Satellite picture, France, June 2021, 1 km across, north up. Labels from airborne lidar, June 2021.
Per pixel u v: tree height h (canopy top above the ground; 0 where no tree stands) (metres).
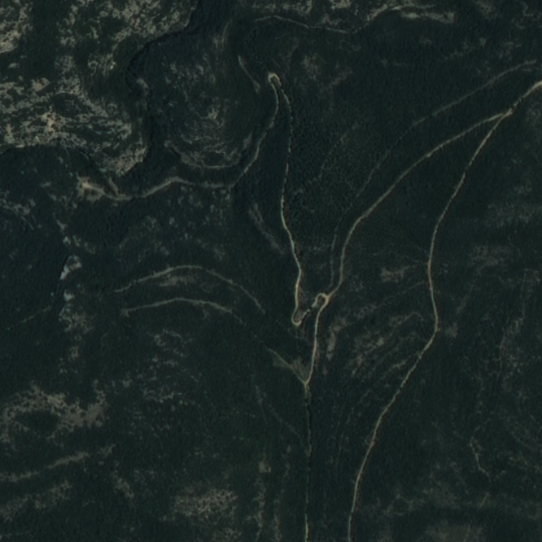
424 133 7
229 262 6
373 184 6
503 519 7
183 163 6
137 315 6
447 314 6
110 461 7
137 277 8
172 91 6
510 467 6
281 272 8
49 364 5
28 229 9
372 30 6
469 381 6
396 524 6
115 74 16
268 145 8
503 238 7
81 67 8
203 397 6
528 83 7
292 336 7
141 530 6
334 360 6
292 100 9
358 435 6
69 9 6
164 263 7
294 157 9
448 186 9
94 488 7
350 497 6
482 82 6
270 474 6
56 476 7
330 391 6
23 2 7
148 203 6
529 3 6
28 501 5
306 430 10
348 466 7
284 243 5
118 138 7
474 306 6
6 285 6
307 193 11
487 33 6
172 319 5
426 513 6
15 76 7
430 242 6
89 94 11
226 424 8
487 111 8
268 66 8
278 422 6
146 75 12
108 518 10
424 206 7
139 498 6
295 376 9
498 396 7
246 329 9
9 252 6
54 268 7
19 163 9
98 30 7
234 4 6
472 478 7
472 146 8
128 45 13
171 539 9
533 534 6
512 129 7
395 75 6
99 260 7
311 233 7
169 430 6
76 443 6
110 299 7
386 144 9
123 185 6
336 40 6
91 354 6
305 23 9
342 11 9
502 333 6
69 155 6
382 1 6
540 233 5
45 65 9
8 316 8
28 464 7
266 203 8
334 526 7
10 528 7
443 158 10
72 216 6
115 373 5
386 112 8
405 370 6
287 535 7
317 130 7
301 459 9
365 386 7
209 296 6
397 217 6
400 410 6
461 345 7
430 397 7
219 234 6
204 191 9
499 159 8
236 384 7
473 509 6
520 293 5
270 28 12
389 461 10
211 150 15
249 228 10
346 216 7
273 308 10
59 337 6
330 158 9
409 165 7
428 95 8
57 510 7
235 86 9
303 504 7
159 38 24
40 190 6
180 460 6
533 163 6
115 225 12
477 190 8
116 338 5
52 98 9
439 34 6
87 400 6
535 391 6
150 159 22
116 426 6
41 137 9
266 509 7
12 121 7
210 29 13
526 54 7
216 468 5
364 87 9
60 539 7
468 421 7
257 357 8
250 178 9
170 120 8
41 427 9
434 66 7
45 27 11
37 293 7
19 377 9
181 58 6
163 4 7
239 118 8
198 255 8
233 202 9
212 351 10
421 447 5
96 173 12
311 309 7
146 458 7
